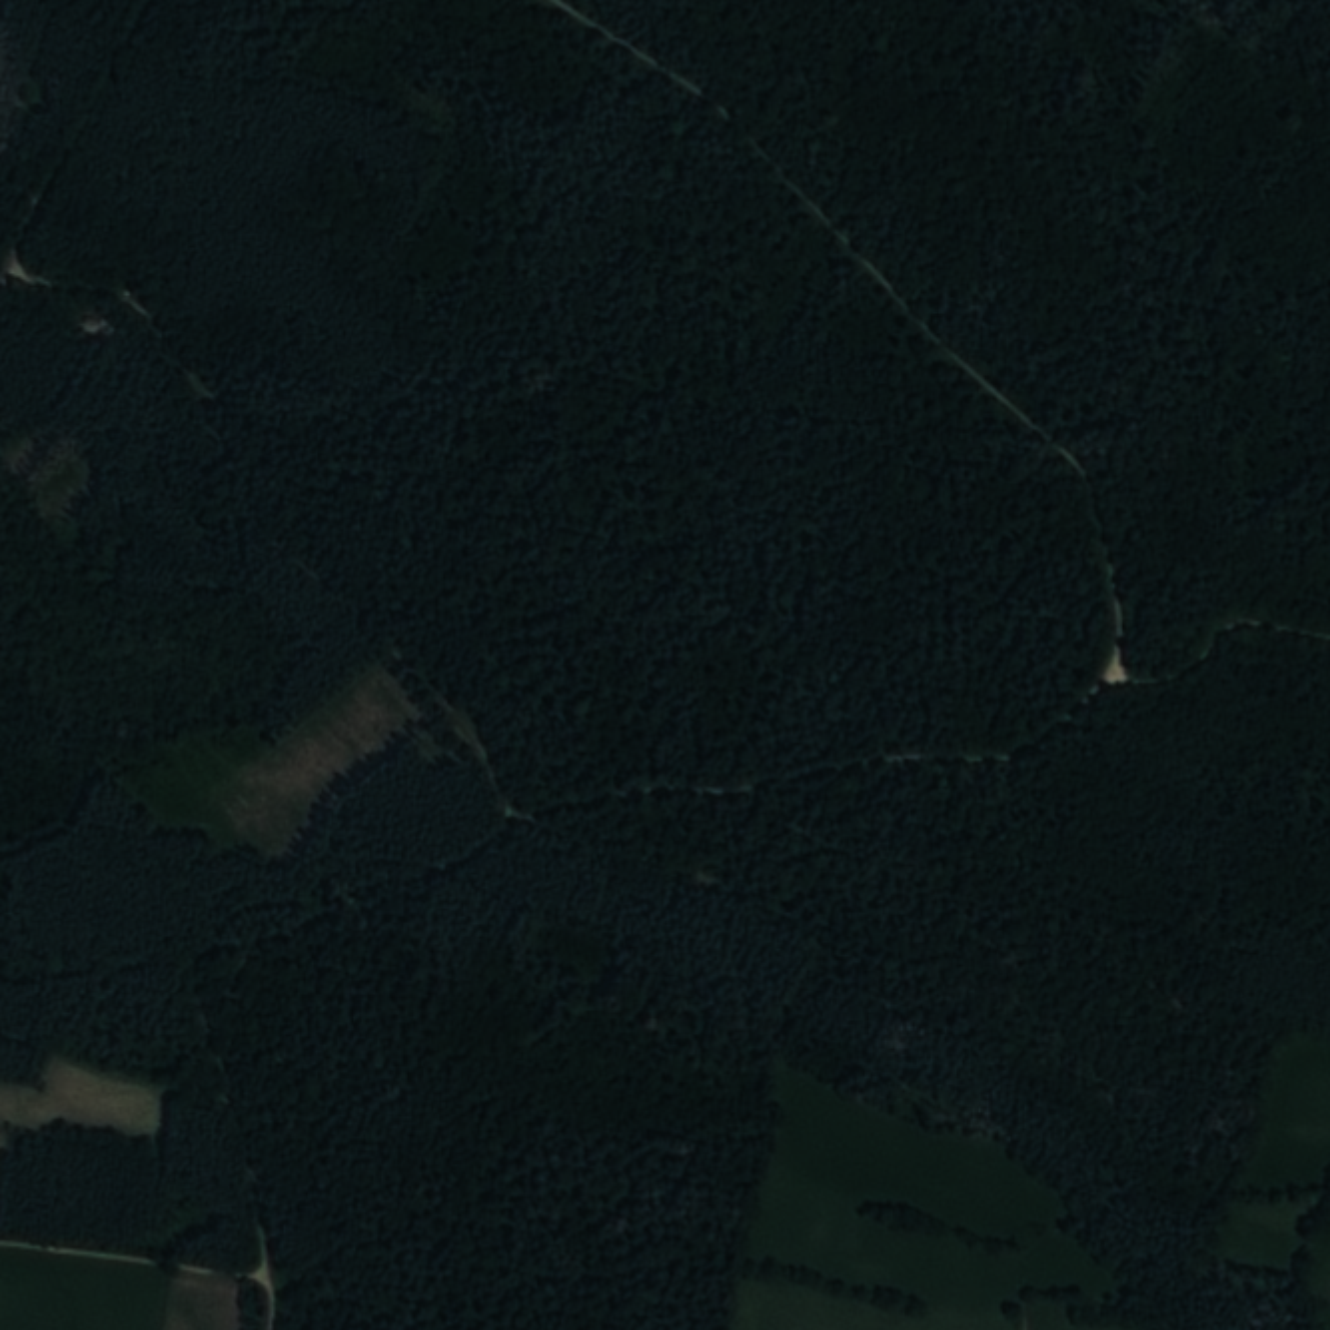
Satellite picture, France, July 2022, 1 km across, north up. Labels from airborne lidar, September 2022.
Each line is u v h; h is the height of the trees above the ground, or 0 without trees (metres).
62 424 30
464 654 25
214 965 24
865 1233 0
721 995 31
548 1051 8
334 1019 21
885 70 20
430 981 12
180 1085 18
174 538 24
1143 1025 18
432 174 27
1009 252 18
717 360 6
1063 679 26
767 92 11
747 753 30
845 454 25
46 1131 11
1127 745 12
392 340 19
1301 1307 24
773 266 16
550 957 20
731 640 27
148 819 29
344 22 11
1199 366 29
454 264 7
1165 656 13
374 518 24
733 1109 12
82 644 6
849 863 24
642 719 18
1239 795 20
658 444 24
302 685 25
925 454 21
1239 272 9
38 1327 0
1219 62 6
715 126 20
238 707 16
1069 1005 14
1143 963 16
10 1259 0
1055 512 30
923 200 14
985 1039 17
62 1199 21
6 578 13
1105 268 9
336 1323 20
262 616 13
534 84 15
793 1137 0
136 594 20
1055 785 11
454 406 29
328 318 22
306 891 25
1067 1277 0
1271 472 7
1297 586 14
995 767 20
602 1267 24
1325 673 10
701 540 28
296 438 27
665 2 14
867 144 11
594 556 23
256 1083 21
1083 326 12
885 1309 11
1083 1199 25
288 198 21
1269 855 14
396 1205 23
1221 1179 6
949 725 18
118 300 22
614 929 23
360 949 24
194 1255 23
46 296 17
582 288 24
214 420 26
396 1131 24
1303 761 13
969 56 20
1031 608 10
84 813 22
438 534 22
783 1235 0
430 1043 13
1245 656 13
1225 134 9
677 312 18
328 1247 28
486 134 23
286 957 11
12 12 25
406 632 26
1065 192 27
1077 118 9
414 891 26
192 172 20
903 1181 0
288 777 0
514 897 24
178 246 23
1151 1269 22
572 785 17
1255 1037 14
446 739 25
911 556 16
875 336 9
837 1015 22
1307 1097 0
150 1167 21
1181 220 18
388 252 19
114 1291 0
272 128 21
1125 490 21
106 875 22
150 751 23
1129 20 6
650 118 22
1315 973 14
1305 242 11
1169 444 22
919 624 24
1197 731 13
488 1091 14
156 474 23
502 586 21
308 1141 12
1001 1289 0
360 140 22
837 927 19
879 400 13
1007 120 16
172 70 25
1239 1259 0
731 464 24
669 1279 27
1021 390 18
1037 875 21
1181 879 19
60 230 21
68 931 26
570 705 7
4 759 12
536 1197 16
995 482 15
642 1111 11
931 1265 0
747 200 27
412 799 29
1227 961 17
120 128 22
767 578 23
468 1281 21
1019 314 18
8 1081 21
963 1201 0
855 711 24
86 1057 8
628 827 24
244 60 21
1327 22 27
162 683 10
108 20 23
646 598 21
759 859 21
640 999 29
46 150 21
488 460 13
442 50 13
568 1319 27
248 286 22
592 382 15
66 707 21
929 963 23
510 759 27
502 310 22
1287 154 10
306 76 15
